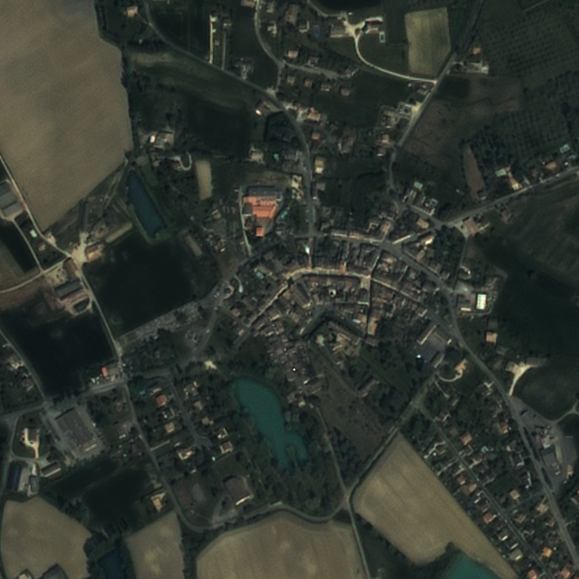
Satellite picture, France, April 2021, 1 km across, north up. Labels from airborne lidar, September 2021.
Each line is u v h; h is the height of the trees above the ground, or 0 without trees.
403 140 0
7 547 0
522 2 8
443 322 8
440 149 0
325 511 17
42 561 0
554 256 0
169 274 0
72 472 0
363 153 7
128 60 0
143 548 0
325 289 7
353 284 0
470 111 0
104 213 8
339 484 29
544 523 10
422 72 0
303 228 0
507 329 7
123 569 20
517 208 0
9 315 0
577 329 0
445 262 7
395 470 0
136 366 9
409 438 8
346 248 0
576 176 0
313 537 0
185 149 7
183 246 0
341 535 0
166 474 12
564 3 10
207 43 0
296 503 24
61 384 0
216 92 0
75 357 0
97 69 0
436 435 6
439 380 11
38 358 0
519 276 0
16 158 0
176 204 14
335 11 0
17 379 7
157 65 0
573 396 0
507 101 0
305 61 9
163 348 14
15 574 0
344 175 0
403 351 11
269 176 0
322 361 11
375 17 0
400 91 0
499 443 6
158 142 0
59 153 0
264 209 0
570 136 10
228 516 0
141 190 0
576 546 7
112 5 0
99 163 0
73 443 0
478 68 0
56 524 0
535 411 0
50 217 0
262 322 0
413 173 0
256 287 5
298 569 0
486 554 0
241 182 0
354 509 0
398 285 0
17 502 0
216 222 6
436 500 0
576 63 6
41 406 0
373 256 0
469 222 0
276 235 7
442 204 0
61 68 0
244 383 0
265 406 0
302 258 0
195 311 0
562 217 0
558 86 13
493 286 0
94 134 0
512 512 0
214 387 13
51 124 0
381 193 9
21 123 0
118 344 0
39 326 0
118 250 0
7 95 0
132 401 7
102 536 7
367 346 13
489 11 0
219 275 14
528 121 15
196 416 12
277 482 14
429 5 12
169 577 0
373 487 0
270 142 12
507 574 0
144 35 15
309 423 27
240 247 12
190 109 0
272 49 0
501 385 0
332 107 0
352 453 20
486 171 15
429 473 0
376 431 9
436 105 0
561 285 0
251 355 0
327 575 0
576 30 7
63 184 0
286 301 0
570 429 0
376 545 0
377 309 0
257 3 0
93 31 0
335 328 0
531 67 8
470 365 13
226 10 13
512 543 0
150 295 0
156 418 8
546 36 9
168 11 0
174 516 0
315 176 12
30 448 0
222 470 0
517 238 0
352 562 0
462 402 9
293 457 0
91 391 0
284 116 12
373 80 0
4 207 0
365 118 0
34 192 0
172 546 0
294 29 9
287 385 9
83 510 20
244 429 19
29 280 0
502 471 10
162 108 0
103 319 0
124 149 0
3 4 0
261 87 0
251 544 0
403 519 0
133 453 8
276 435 0
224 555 0
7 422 0
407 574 0
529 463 11
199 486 0
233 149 0
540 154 7
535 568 11
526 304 0
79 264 0
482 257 0
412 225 10
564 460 0
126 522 0
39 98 0
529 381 0
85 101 0
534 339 0
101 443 0
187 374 10
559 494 0
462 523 0
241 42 0
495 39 6
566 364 0
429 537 0
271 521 0
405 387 0
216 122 0
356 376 25
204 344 0
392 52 0
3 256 0
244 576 0
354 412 12
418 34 0
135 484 0
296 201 10
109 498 0
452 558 0
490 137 6
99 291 0
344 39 0
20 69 0
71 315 0
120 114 0
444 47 0
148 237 0
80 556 0
